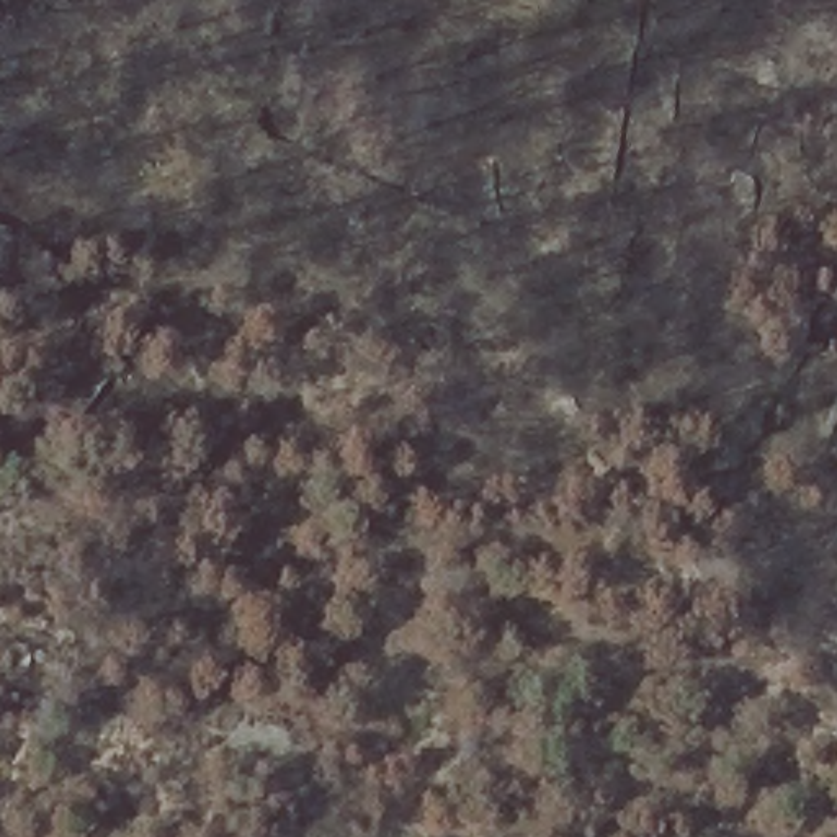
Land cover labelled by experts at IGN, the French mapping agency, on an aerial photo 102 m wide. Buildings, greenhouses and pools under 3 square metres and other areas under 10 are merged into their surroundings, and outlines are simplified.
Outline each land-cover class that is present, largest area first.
<instances>
[{"label":"coniferous trees","instance_id":"1","mask_svg":"<svg viewBox=\"0 0 837 837\"><path fill-rule=\"evenodd\" d=\"M713 330L742 350L739 379L759 383L732 422H726L716 432L709 425V415L690 412L674 415L667 432H647L644 409L634 405L628 419L618 425L621 432L611 435L605 461L589 458L592 471L602 474L595 494L579 500V474H562L556 494H543L536 504L517 497L510 481L494 477L484 487L468 484L464 477H448L438 497H432L419 484L415 464L425 458L428 428V405L422 396L435 389L438 363L432 350L422 353L412 340H402L396 347L383 343L363 363L360 373L324 376L301 386L304 409L333 432L320 441L314 454H298L294 441H281L284 422L278 419L281 412L275 402V383L301 366L304 340L271 330V304H255L245 324L232 314H213L199 304L190 314H183L173 330L160 327L157 333H150L141 320L144 278L137 275L128 255L121 262H108V248H88V242L82 239L75 242L72 255H49V262L39 265L0 258V837H837V690L827 683H811L801 667L817 664L824 651H837V631H830L821 641L791 638V631L781 624L759 631L755 638L742 631L732 618V611L739 608V566L732 562V543L755 526L801 533L821 494H837V448L830 451V458H821L814 464H801V451L817 435L827 438L837 425V402L821 415H804L798 389L808 363L817 366L824 379L837 383V213L824 222L821 232L808 229L798 219H778V226L765 222L752 229V239H739L719 265L716 294L709 304Z\"/></svg>","mask_w":837,"mask_h":837},{"label":"bare soil","instance_id":"2","mask_svg":"<svg viewBox=\"0 0 837 837\"><path fill-rule=\"evenodd\" d=\"M837 213V0H0V258L39 265L49 262V255H72L75 242L82 239L88 242V248H108V262H121L128 255L137 275L144 278L141 320L150 333H157L160 327L173 330L183 314H190L199 304L213 314H232L245 324L255 304H271V330L304 340L301 366L275 383V402L281 412L278 419L284 422L281 441H294L298 454H314L320 441L333 432L304 409L301 386L324 376L360 373L363 363L383 343L396 347L402 340H412L422 353L432 350L438 363L435 389L422 396L428 405V428L425 458L415 464L419 484L432 497H438L448 477H464L468 484L484 487L494 477L510 481L517 497L536 504L543 494H556L562 474H579V500L595 494L602 474L592 471L589 458L605 461L611 435L621 432L618 425L628 419L634 405L644 409L647 432H667L674 415L690 412L709 415V425L716 432L726 422H732L759 383L739 379L742 350L713 330L709 304L716 294L719 265L739 239H752V229L765 222L778 226V219H798L808 229L821 232L824 222ZM804 415H821L837 402V383L824 379L817 366L808 363L798 389ZM837 448V425L827 438L817 435L801 451V464H814L821 458H830V451ZM732 562L739 566V608L732 611V618L742 631L755 638L759 631L781 624L791 631V638L821 641L830 631H837V494H821L801 533L755 526L732 543ZM811 683H827L837 690V651H824L817 664L801 667Z\"/></svg>","mask_w":837,"mask_h":837}]
</instances>
